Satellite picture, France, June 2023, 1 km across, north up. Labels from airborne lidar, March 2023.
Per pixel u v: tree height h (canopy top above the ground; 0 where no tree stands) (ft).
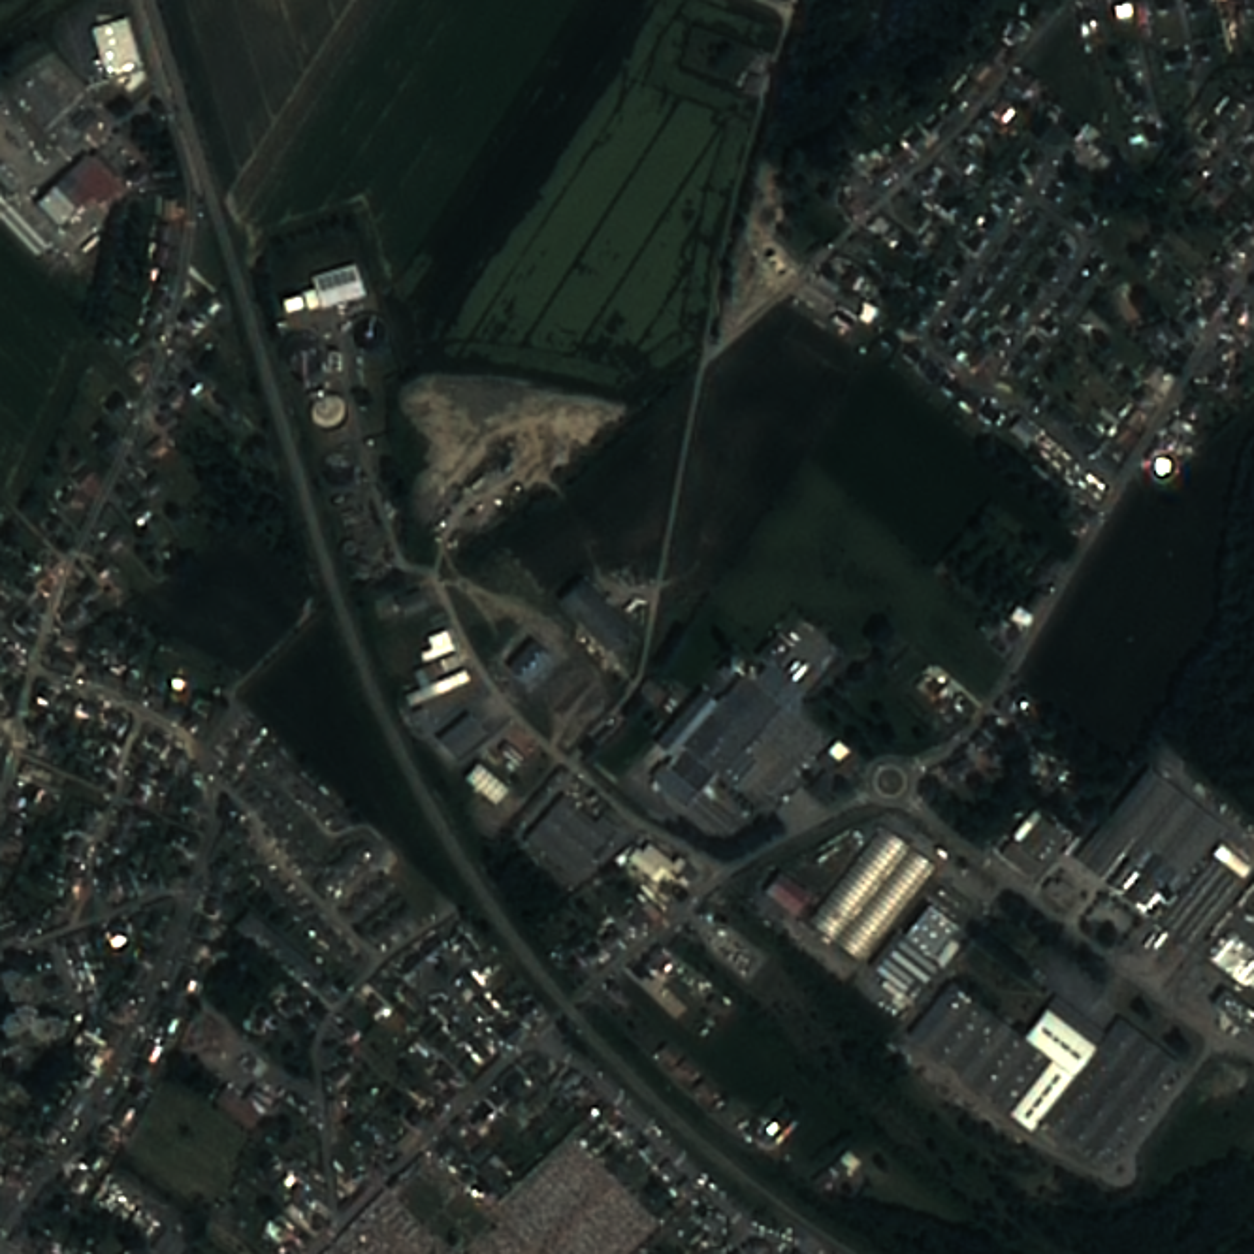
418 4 0
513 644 0
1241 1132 0
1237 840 0
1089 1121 0
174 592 0
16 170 0
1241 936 0
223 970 44
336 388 0
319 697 0
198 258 0
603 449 18
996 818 31
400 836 0
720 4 0
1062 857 0
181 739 0
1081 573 0
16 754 0
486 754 0
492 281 0
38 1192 0
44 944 0
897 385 0
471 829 0
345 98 0
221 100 0
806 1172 0
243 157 0
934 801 45
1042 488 54
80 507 0
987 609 18
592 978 0
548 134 0
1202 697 63
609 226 0
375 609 0
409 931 0
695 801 0
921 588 0
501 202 0
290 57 0
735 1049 0
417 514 0
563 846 0
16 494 0
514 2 0
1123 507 0
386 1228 0
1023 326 0
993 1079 0
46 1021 0
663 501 0
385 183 0
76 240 0
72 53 0
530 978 0
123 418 0
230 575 0
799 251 0
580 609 0
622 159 0
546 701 0
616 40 0
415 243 0
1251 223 0
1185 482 0
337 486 0
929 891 0
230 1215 0
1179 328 41
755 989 0
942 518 0
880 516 0
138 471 0
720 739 0
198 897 0
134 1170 0
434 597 0
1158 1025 0
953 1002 0
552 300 0
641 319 0
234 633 0
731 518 0
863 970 0
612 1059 0
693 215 0
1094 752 29
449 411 0
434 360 0
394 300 0
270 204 0
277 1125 24
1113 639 0
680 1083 0
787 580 0
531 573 0
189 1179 0
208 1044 0
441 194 0
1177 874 0
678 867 0
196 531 0
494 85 0
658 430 0
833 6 59
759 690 0
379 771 0
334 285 0
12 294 0
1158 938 0
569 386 0
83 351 0
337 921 0
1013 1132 0
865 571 0
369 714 0
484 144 0
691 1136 0
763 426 0
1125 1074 0
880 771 0
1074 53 0
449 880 0
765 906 0
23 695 0
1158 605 0
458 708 0
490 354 0
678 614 0
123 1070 0
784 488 0
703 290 0
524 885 28
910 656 0
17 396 0
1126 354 0
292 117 0
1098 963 60
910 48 90
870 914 0
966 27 55
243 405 0
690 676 0
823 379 0
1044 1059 0
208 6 0
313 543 0
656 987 0
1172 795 0
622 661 0
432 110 0
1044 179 0
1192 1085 0
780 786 0
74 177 0
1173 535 0
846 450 0
